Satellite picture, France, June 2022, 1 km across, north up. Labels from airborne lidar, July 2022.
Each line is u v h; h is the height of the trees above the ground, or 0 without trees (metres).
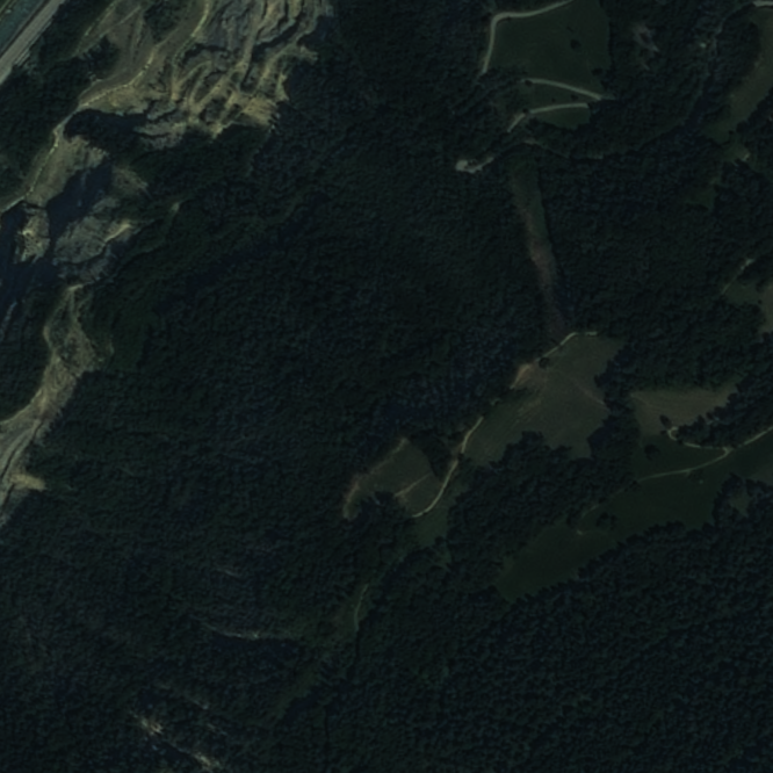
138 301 7
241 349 21
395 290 20
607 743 26
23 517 12
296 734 27
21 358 6
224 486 19
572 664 21
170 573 20
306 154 14
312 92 16
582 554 0
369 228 15
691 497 0
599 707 18
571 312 22
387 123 22
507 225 31
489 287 20
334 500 24
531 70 0
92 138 7
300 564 24
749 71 14
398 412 14
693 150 23
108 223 0
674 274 26
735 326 24
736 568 34
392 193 17
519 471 16
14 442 0
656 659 21
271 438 12
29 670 7
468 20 13
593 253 21
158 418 14
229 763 6
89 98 0
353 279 21
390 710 18
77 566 10
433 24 14
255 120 0
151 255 9
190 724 23
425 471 0
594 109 23
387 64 32
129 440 18
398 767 19
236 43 0
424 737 34
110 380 16
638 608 36
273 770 13
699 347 30
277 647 10
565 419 0
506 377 21
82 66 10
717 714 18
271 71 0
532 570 0
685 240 27
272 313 20
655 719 16
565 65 0
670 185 19
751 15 14
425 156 27
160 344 22
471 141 25
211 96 0
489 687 34
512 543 22
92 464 12
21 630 12
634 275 23
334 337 31
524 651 37
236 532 11
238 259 6
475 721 18
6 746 20
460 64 17
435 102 23
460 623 28
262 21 0
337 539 26
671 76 13
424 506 0
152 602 29
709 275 17
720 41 14
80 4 15
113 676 22
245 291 27
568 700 33
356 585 26
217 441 11
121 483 13
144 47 0
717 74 14
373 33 25
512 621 12
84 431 14
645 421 0
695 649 22
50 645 7
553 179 22
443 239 12
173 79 0
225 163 6
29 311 13
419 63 26
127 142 16
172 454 10
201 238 7
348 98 19
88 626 8
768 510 29
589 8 0
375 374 40
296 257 20
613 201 20
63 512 16
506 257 25
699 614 17
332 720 21
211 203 22
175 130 0
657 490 0
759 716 23
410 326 22
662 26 10
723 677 24
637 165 25
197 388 24
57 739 34
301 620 11
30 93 6
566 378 0
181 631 23
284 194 16
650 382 16
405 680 27
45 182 0
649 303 25
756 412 31
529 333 22
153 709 8
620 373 31
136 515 11
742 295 0
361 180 13
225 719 13
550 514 22
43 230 0
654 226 18
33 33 0
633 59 27
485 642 20
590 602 22
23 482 0
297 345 26
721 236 24
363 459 26
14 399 12
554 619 18
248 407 13
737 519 27
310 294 28
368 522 24
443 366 17
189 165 8
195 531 9
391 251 24
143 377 13
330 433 24
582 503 18
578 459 0
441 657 19
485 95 12
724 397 0
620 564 25
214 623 12
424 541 0
